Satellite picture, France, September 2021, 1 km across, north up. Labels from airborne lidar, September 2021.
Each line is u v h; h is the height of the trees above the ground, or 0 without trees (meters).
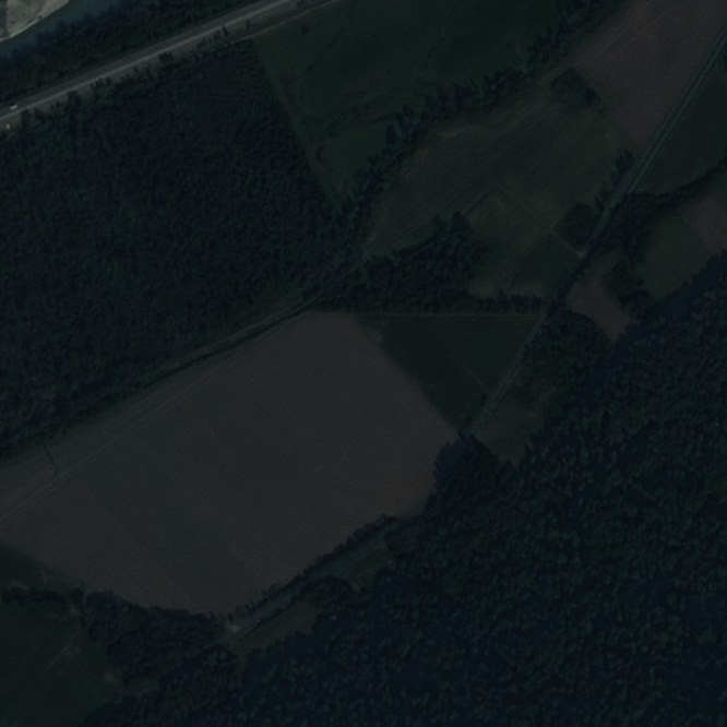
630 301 13
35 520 0
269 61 0
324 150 0
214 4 6
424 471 0
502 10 0
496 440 0
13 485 0
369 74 0
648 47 0
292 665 32
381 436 0
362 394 0
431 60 0
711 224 0
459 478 36
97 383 6
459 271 14
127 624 35
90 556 0
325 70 0
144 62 0
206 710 19
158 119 12
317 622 0
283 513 0
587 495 16
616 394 29
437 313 23
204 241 11
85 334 24
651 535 32
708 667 20
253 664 0
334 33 0
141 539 0
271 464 0
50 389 25
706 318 21
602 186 0
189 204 26
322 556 0
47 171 25
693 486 32
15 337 10
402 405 0
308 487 0
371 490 0
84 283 11
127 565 0
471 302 21
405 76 0
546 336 7
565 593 30
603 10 21
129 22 23
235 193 6
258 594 0
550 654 29
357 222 9
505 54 0
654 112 0
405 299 24
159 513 0
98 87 10
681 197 9
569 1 0
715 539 20
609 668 24
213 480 0
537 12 0
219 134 11
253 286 9
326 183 0
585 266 13
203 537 0
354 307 10
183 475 0
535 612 25
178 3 21
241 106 7
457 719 27
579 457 21
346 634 25
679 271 0
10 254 8
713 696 18
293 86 0
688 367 22
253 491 0
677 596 10
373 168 18
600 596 28
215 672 24
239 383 0
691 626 29
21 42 0
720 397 25
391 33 0
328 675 15
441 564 32
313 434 0
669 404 23
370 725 31
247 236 16
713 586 31
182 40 0
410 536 19
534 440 0
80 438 0
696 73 0
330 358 0
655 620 32
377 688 35
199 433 0
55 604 21
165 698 16
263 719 36
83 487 0
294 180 10
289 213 10
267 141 11
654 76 0
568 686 23
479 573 32
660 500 35
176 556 0
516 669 30
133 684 19
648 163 0
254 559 0
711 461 26
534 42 0
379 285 24
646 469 31
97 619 26
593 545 41
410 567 21
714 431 31
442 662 34
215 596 0
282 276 7
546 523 25
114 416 0
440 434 0
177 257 10
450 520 29
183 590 0
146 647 23
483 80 0
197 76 8
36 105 0
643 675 27
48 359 19
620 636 19
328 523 0
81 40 19
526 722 24
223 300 7
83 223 10
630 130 0
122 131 8
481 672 36
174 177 8
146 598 0
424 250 9
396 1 0
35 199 7
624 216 9
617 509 28
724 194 0
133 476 0
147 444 0
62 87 0
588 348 15
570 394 7
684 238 0
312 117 0
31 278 11
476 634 33
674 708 31
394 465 0
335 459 0
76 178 11
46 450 0
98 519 0
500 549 32
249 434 0
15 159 28
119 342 8
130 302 6
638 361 29
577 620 30
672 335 25
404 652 38
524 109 16
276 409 0
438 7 0
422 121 9
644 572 33
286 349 0
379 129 0
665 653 16
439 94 0
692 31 0
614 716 27
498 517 24
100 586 0
